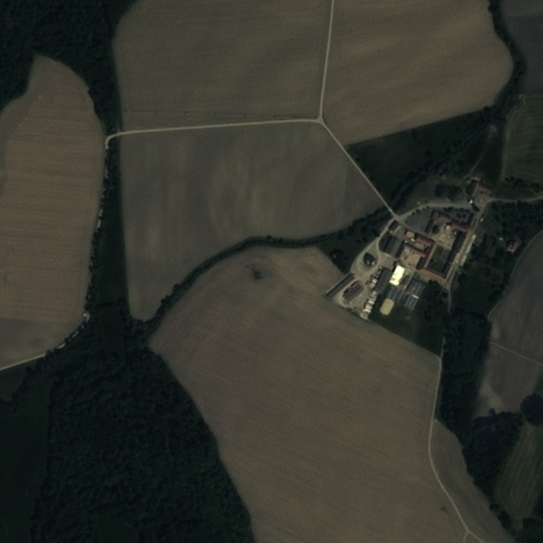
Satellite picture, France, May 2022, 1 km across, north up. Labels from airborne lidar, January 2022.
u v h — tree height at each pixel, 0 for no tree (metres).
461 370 24
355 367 0
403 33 0
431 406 0
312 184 0
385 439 0
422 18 0
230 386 0
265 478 0
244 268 0
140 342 10
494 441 34
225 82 0
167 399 32
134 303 0
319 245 0
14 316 0
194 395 0
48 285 0
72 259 0
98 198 0
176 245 0
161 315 14
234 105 0
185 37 0
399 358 0
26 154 0
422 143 11
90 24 24
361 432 0
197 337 0
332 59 0
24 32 23
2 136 0
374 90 0
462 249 0
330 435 0
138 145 0
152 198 0
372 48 0
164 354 0
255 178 0
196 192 0
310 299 0
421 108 0
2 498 0
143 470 29
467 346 28
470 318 24
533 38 0
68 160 0
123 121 0
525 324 0
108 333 0
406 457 0
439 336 0
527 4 0
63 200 0
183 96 0
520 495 0
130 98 0
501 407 0
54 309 0
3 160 0
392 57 0
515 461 0
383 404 0
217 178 0
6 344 0
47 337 0
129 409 23
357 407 0
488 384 0
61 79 0
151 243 0
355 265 0
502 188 0
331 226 0
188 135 0
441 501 0
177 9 0
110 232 0
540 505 0
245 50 0
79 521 12
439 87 0
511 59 0
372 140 0
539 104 0
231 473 0
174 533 28
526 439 0
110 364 28
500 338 0
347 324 0
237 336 0
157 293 0
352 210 0
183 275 0
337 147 0
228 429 0
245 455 0
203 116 0
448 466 0
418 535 0
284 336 0
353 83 0
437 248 0
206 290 0
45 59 0
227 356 0
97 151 0
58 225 0
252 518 0
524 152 0
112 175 14
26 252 0
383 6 0
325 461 0
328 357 0
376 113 0
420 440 0
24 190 0
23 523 0
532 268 0
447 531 0
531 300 0
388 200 0
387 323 0
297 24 0
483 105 0
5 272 0
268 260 0
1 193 0
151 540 25
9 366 0
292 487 0
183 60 0
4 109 0
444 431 0
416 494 0
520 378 0
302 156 0
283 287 0
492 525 0
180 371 0
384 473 0
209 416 0
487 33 0
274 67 0
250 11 0
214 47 0
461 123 0
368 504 0
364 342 0
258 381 0
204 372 0
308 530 0
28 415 0
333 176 0
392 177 0
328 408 0
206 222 0
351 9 0
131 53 0
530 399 0
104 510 33
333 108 0
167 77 0
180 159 0
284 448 0
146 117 0
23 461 0
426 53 0
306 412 0
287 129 0
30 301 0
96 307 16
